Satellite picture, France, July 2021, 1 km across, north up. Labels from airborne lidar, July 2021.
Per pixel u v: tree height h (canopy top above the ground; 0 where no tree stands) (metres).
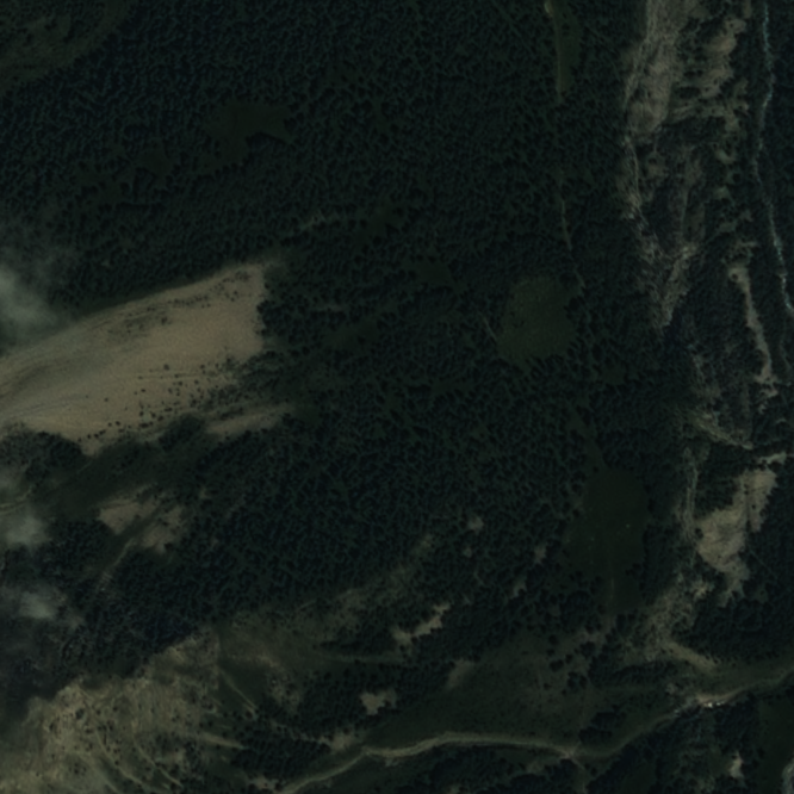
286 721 13
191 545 10
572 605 25
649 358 15
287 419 7
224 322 0
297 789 0
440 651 19
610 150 21
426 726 0
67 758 0
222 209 20
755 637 26
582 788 0
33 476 15
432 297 20
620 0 24
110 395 0
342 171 27
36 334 0
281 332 16
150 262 8
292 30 12
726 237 17
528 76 23
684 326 10
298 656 0
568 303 0
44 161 11
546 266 26
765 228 19
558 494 18
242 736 12
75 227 15
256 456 12
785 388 14
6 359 0
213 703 0
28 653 0
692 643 9
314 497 29
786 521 21
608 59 24
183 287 0
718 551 0
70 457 11
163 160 0
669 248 8
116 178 12
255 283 0
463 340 8
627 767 26
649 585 15
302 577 18
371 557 22
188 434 10
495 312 23
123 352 0
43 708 0
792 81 26
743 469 12
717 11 12
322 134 22
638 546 0
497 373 20
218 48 22
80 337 0
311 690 6
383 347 10
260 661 0
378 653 16
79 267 10
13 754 0
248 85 16
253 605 11
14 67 7
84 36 11
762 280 22
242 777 0
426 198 22
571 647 0
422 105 24
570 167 18
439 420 21
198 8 19
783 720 0
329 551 18
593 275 14
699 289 12
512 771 20
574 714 0
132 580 11
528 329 0
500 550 15
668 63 0
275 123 0
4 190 13
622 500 0
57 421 0
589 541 0
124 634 6
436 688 17
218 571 17
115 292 19
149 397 0
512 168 26
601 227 21
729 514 0
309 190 19
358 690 16
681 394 18
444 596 12
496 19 14
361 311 13
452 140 9
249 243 26
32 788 0
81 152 16
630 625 16
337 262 11
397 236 19
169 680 0
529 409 26
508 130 10
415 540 13
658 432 21
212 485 6
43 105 22
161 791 0
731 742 14
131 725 0
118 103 24
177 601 16
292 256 0
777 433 12
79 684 0
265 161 23
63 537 9
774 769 0
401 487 21
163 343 0
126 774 0
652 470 24
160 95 27
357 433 15
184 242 14
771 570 11
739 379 6
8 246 15
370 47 19
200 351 0
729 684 0
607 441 28
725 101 6
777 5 21
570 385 31
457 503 9
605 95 24
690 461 8
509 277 21
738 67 20
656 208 12
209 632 8
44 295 8
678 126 9
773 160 8
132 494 0
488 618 24
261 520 12
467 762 19
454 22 16
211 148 22
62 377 0
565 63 0
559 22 0
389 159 25
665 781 20
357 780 0
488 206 17
